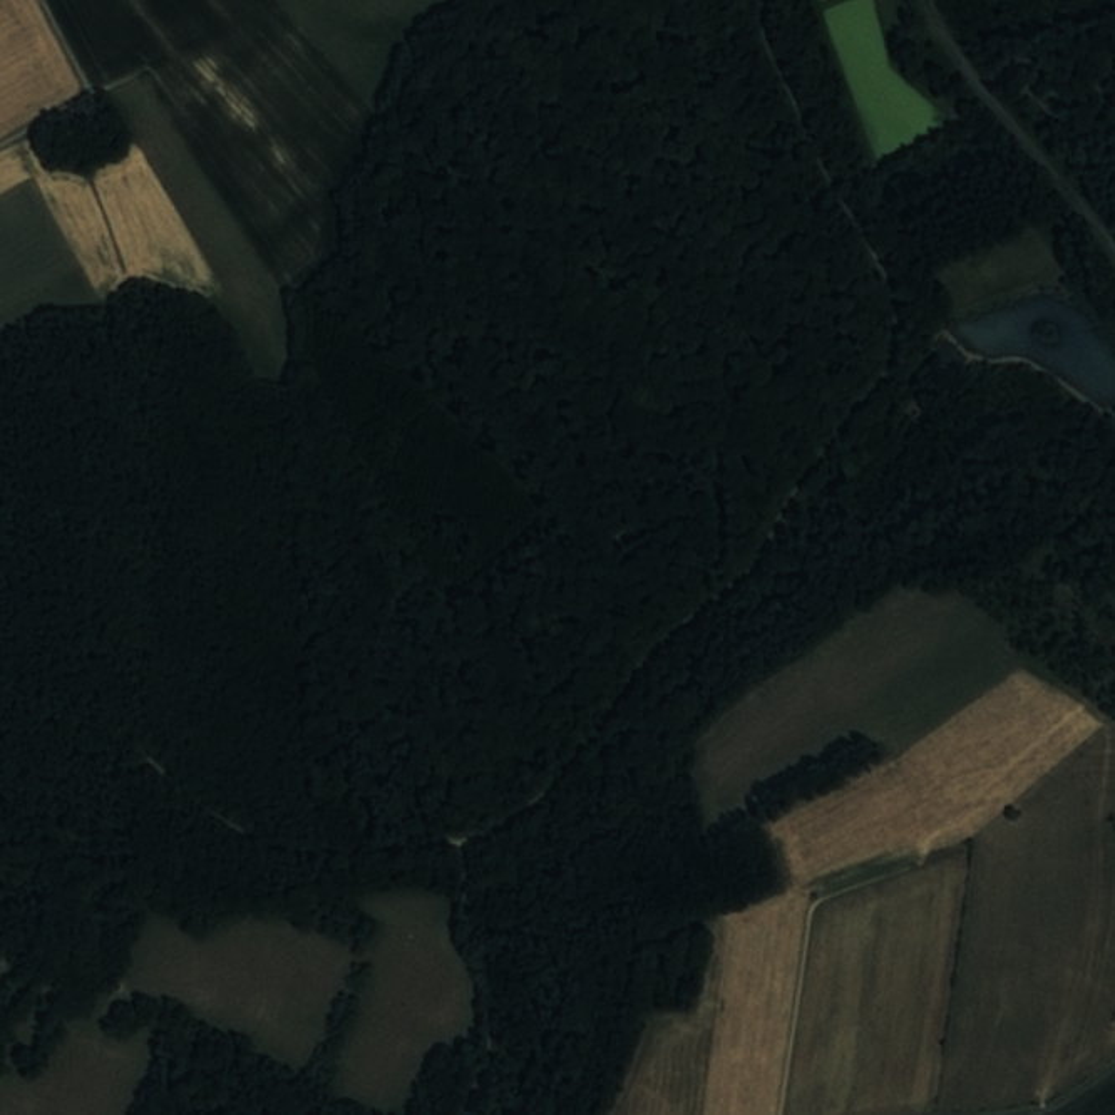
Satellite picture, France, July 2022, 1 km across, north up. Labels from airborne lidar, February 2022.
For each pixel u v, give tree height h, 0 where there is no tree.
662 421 31
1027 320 0
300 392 15
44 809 19
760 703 0
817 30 12
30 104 0
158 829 20
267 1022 0
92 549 21
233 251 0
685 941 25
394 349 29
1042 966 0
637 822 20
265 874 20
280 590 17
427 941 0
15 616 21
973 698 0
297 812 22
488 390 30
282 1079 21
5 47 0
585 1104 17
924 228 35
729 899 24
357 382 6
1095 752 0
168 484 19
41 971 26
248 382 17
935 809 0
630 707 25
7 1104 0
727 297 29
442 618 26
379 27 0
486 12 16
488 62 29
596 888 22
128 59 0
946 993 0
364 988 8
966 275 0
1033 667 0
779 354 29
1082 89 27
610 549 27
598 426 31
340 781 28
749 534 23
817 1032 0
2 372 18
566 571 30
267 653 16
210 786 19
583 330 28
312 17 0
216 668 19
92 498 19
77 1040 0
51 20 0
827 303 29
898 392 23
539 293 28
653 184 30
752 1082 0
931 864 0
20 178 0
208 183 0
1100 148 27
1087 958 0
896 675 0
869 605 19
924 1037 0
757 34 20
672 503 26
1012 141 19
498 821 22
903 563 26
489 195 31
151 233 0
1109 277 16
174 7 0
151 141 0
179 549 19
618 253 26
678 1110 0
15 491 19
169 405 17
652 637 19
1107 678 15
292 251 0
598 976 27
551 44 29
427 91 26
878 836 0
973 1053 0
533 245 31
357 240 27
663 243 26
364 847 21
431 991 0
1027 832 0
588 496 26
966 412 10
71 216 0
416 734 26
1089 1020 0
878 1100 0
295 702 18
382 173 28
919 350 17
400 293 26
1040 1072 0
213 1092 26
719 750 0
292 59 0
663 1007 12
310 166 0
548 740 27
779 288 31
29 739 20
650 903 26
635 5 30
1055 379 8
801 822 0
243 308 0
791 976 0
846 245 24
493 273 31
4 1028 27
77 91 0
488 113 29
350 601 23
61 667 21
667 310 28
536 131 23
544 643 30
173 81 0
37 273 0
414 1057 0
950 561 6
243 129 0
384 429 7
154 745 19
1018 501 30
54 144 19
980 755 0
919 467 10
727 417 28
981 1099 0
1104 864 0
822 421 30
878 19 0
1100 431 17
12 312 0
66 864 26
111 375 20
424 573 29
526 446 30
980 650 0
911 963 0
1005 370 9
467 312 29
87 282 0
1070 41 26
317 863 28
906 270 23
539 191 27
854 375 31
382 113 9
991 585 14
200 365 21
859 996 0
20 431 18
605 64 28
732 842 26
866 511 8
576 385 29
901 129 0
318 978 0
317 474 26
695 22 30
